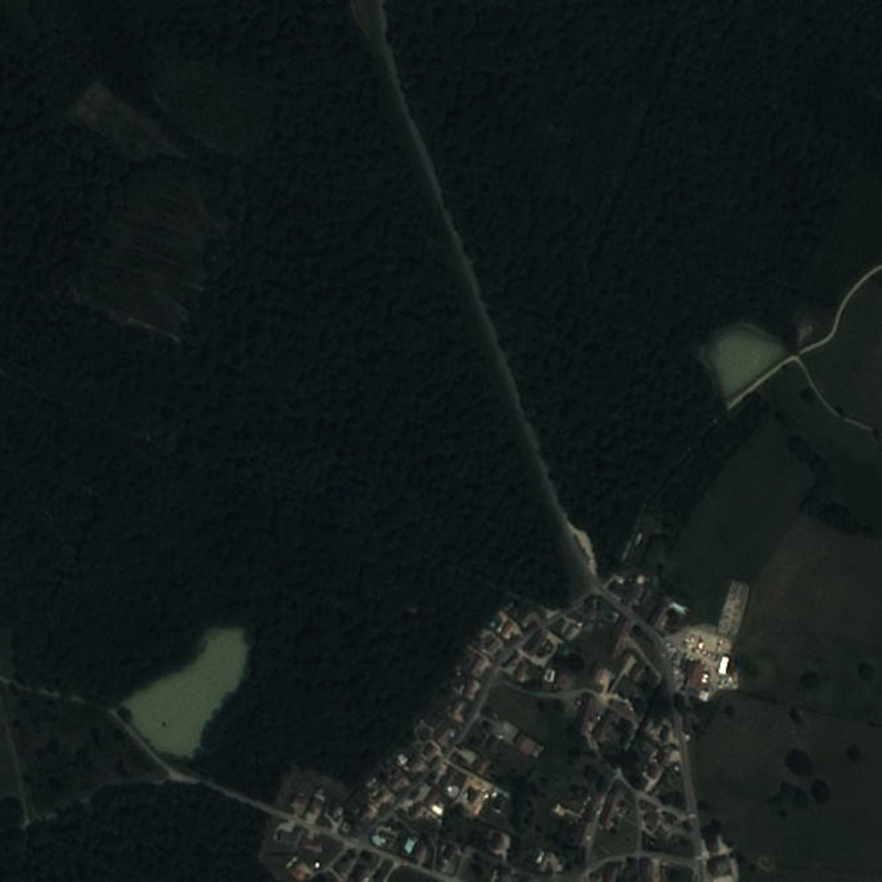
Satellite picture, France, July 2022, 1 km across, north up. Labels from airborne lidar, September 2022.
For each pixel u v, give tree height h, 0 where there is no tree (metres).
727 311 23
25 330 22
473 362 24
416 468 17
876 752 0
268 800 14
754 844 0
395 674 17
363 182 21
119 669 18
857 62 19
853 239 0
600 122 9
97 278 6
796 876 0
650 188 17
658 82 7
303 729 21
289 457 30
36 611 22
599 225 7
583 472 14
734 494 0
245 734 19
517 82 18
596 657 0
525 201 15
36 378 21
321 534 20
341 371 19
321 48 22
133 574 19
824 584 0
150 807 20
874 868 0
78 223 12
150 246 6
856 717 0
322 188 24
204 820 22
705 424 20
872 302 0
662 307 25
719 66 20
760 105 18
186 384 22
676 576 0
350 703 24
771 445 0
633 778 8
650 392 20
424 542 17
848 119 11
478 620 18
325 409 21
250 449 28
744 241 22
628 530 14
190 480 26
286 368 22
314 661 23
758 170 19
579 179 9
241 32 19
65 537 13
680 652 0
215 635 0
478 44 21
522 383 10
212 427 13
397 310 19
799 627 0
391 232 19
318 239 19
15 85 21
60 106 21
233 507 19
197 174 22
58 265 22
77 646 16
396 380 20
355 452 18
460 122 22
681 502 8
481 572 17
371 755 14
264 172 17
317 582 17
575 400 24
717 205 22
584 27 25
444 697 6
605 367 22
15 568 24
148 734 0
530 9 20
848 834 0
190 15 19
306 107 20
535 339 21
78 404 18
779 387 0
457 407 21
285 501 25
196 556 23
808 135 20
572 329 10
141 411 20
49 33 20
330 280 17
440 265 21
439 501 20
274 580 19
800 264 24
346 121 18
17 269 19
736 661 0
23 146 16
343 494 20
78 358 17
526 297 16
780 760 0
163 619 19
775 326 19
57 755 23
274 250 17
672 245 21
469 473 13
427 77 24
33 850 16
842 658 0
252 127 7
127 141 0
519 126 22
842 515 20
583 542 0
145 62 11
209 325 21
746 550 0
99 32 27
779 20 23
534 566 18
